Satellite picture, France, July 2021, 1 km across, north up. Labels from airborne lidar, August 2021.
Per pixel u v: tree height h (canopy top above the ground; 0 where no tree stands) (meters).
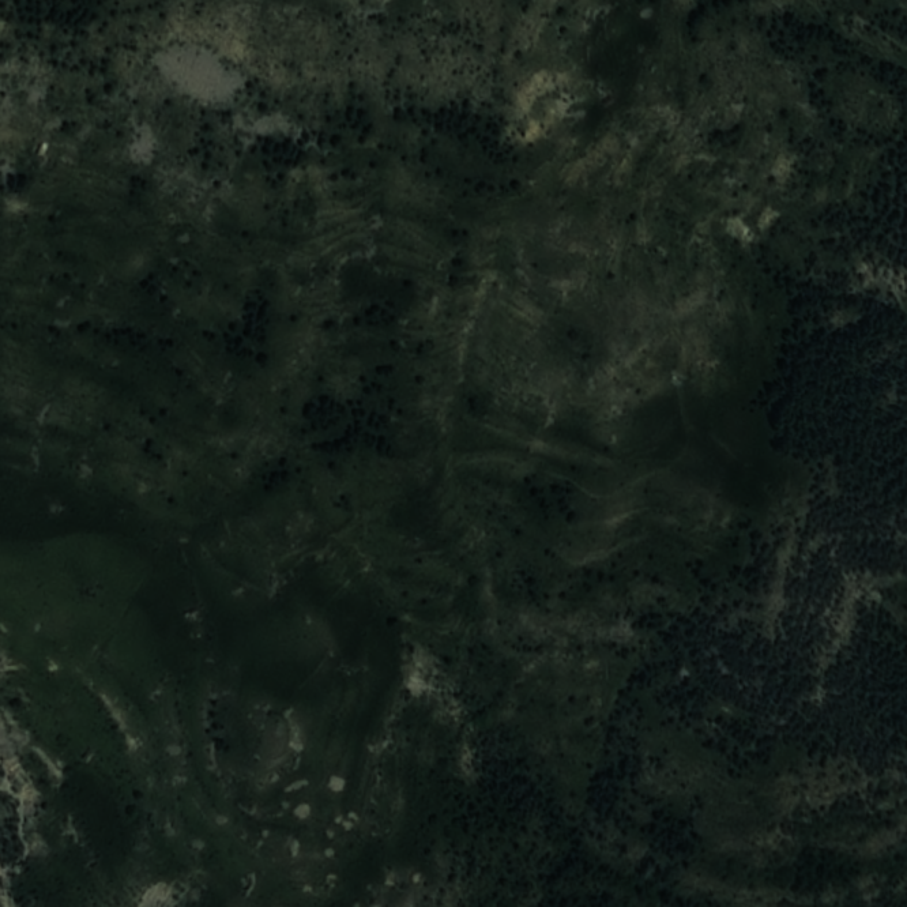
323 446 12
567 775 0
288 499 0
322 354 0
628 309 0
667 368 0
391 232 0
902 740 22
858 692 12
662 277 0
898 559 11
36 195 0
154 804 0
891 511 14
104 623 0
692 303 0
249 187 0
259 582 0
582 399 0
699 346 0
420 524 0
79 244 0
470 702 6
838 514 13
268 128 0
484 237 0
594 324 0
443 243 0
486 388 0
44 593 0
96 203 0
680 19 0
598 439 0
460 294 0
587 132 0
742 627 9
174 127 0
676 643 10
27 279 0
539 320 0
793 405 19
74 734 0
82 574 0
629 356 0
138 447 0
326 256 0
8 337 0
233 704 0
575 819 10
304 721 0
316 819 0
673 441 0
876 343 17
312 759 0
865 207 7
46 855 0
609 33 0
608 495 0
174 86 0
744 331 0
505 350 0
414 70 0
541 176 0
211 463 0
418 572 0
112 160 0
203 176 0
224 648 0
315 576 0
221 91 0
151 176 0
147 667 0
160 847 0
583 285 0
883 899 14
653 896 8
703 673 8
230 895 0
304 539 0
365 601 0
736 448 0
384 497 0
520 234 0
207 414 0
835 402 11
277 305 0
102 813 0
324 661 0
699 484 0
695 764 0
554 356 0
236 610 0
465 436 0
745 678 11
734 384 0
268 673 0
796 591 9
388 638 0
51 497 0
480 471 0
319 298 0
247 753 0
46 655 0
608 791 12
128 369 0
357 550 0
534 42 0
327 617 0
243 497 0
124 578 0
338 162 0
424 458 0
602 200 0
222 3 0
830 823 8
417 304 0
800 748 7
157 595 0
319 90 0
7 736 0
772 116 0
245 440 0
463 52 0
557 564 0
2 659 0
